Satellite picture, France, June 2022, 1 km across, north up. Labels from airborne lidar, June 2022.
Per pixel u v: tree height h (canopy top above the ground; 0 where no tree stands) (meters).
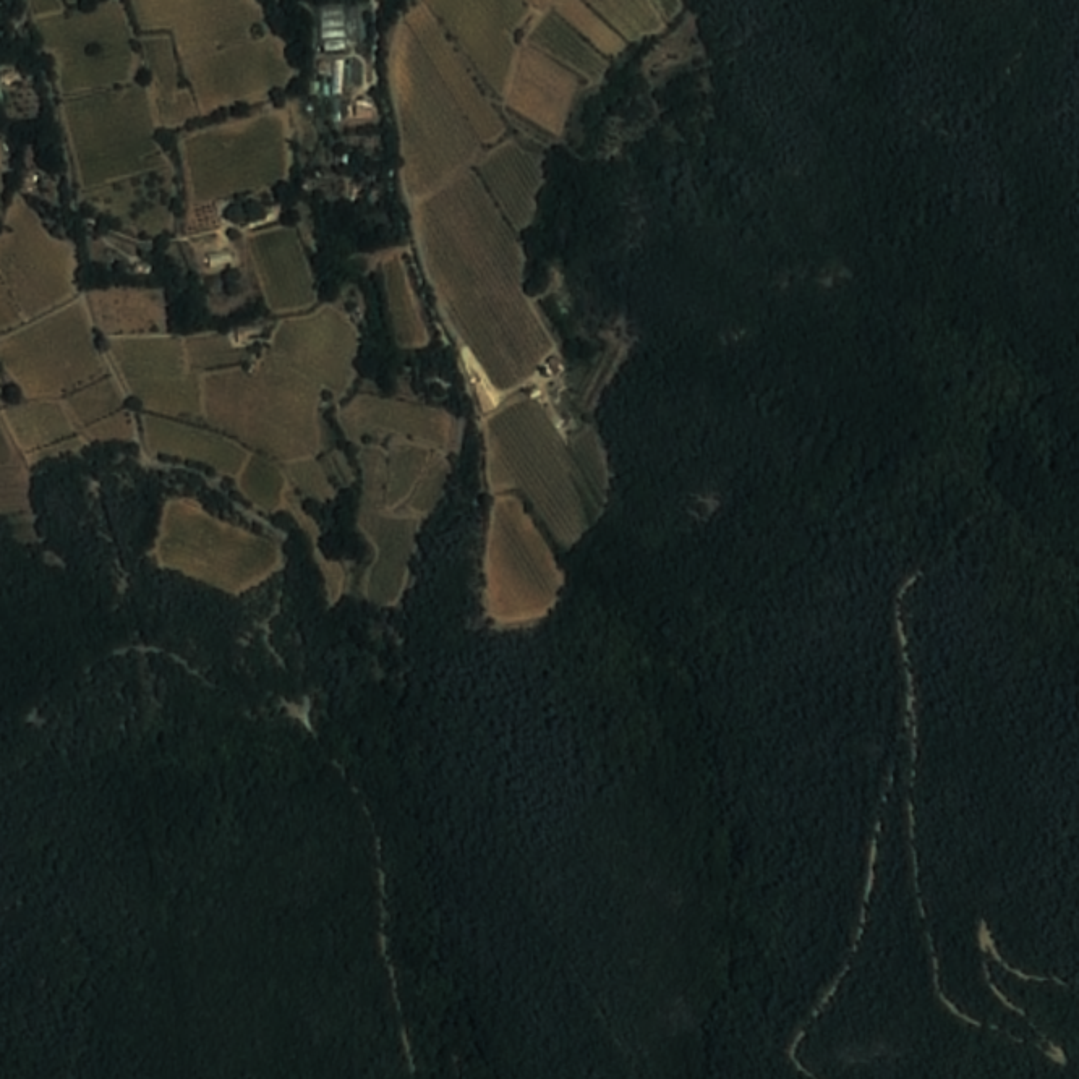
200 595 10
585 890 8
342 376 0
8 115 8
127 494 8
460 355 10
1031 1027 12
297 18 17
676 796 10
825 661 7
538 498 0
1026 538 16
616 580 15
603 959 6
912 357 15
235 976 10
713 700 13
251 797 13
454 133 0
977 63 8
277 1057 9
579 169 12
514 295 0
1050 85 8
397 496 0
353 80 0
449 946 15
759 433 15
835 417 15
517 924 6
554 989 12
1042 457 13
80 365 0
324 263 16
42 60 13
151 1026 10
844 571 7
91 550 13
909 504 12
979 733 10
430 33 0
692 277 9
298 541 17
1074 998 11
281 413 0
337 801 12
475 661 15
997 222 11
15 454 0
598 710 22
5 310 0
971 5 9
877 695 8
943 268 13
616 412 10
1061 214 11
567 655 9
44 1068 11
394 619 12
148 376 0
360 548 19
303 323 0
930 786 6
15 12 14
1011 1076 13
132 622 9
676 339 12
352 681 14
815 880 7
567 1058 6
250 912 11
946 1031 10
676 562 14
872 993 11
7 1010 8
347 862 15
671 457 11
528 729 16
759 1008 8
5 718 15
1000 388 16
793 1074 9
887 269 12
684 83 10
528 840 10
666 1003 6
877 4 13
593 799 11
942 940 8
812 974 7
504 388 0
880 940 11
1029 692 10
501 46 0
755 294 6
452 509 9
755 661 10
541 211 11
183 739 10
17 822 12
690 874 15
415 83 0
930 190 12
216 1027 7
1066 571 15
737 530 13
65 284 0
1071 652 8
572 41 0
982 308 15
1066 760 11
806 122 14
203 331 12
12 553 13
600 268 7
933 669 10
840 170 8
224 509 6
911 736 8
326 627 15
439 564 12
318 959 8
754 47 12
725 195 11
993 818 7
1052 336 12
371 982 10
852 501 13
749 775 9
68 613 12
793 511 11
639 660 6
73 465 9
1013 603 15
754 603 15
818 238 8
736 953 18
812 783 7
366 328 10
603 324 6
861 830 6
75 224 8
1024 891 10
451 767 12
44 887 12
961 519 12
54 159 15
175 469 7
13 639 12
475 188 0
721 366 12
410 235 8
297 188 16
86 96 0
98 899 9
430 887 10
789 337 13
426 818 15
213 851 9
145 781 11
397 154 11
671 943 11
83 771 13
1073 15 8
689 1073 10
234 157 0
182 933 9
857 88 12
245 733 7
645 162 10
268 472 0
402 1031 11
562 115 0
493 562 0
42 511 8
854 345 13
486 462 6
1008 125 11
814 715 9
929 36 15
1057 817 14
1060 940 14
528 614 0
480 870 12
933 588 9
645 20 0
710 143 8
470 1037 18
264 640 10
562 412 0
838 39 12
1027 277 11
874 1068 7
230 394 0
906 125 10
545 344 0
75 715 12
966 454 15
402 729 14
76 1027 13
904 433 11
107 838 8
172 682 13
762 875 13
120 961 13
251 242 0
